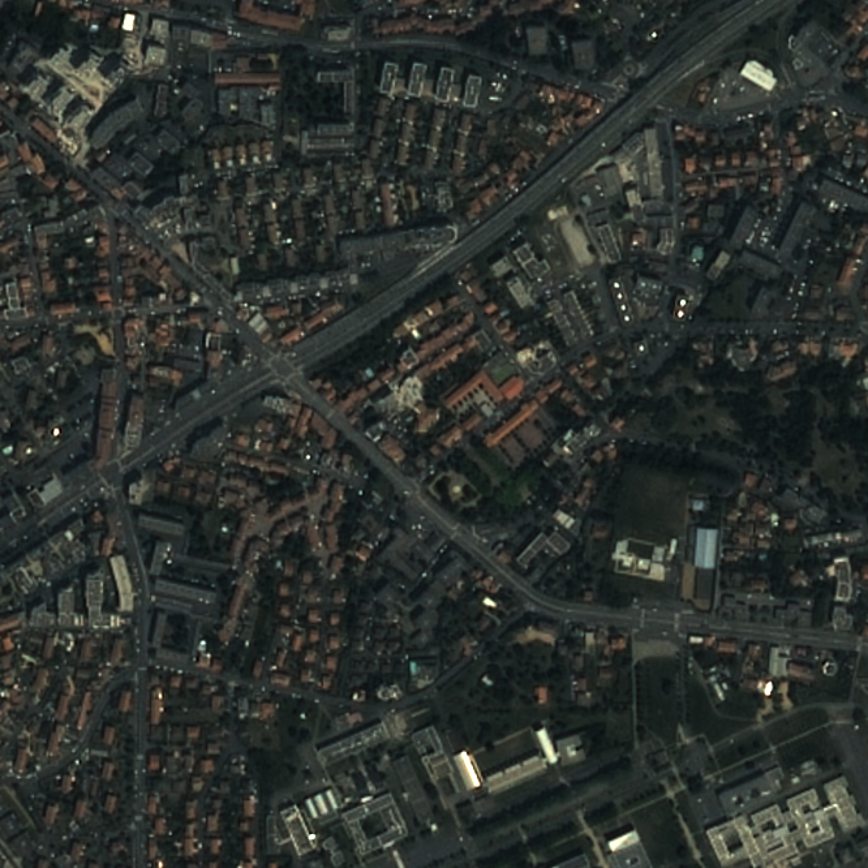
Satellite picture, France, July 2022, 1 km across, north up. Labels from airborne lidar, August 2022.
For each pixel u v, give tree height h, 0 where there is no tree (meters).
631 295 0
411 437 5
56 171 6
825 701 0
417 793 0
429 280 0
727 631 0
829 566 0
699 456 7
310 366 0
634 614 0
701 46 0
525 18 8
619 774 11
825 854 0
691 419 0
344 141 0
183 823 6
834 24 10
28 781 0
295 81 10
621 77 0
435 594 0
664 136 0
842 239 9
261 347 0
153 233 0
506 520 8
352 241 0
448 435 0
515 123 6
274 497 10
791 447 10
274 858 6
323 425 0
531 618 12
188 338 6
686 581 0
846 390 8
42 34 7
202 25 0
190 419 0
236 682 0
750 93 0
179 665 0
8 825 0
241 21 11
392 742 0
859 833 8
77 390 7
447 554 13
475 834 13
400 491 0
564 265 0
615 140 0
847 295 0
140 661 0
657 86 0
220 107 0
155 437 0
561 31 8
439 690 6
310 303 10
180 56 0
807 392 9
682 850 10
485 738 8
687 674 10
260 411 0
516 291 0
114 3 0
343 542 7
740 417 8
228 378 0
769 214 7
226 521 8
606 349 0
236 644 7
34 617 0
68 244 6
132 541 0
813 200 10
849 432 10
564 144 0
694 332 0
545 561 13
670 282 0
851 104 0
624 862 0
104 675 0
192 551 12
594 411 11
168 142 0
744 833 0
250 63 10
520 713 0
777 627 0
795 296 0
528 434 0
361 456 8
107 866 7
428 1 7
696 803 0
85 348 6
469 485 6
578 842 0
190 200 0
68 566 0
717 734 0
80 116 0
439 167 9
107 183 0
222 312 0
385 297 0
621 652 8
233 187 10
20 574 0
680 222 0
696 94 0
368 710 0
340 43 0
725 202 9
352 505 12
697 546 0
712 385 11
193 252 0
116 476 0
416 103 7
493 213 0
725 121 0
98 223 0
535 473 18
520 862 11
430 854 0
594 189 0
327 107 7
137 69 0
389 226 10
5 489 6
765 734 0
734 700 0
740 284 0
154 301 0
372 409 12
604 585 10
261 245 12
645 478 0
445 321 6
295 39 0
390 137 11
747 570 6
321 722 0
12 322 0
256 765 6
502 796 0
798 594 9
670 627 0
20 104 10
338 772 0
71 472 0
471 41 16
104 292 0
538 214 0
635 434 0
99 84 0
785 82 0
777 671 0
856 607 7
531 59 12
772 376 0
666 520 0
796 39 0
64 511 0
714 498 8
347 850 9
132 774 8
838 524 6
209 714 0
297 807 7
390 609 0
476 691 6
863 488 7
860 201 0
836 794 0
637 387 9
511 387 0
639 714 6
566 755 0
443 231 0
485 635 9
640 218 0
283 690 0
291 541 13
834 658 8
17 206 7
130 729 6
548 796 16
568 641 12
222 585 13
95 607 0
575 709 9
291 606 10
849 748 0
